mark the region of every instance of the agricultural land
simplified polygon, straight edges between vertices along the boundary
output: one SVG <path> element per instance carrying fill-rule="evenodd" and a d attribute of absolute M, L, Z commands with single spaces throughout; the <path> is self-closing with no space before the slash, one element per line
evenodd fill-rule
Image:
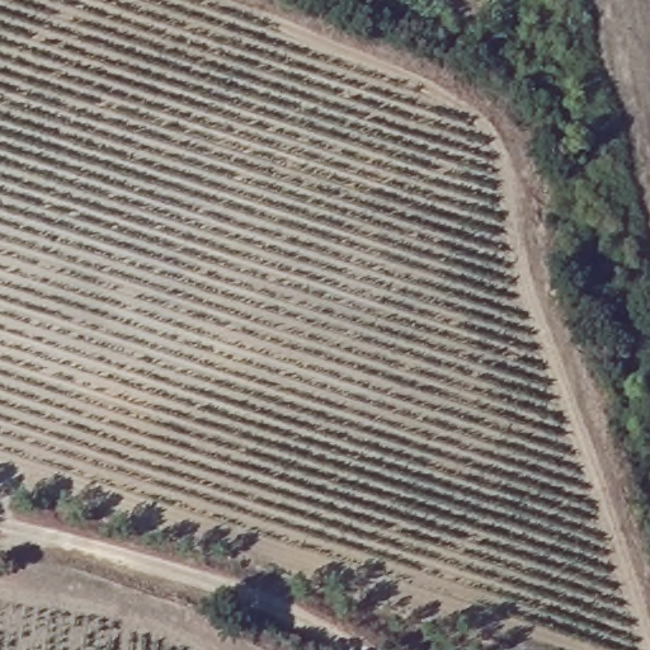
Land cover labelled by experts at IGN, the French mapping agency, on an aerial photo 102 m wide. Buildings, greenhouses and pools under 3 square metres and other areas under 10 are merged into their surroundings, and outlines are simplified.
<path fill-rule="evenodd" d="M 650 0 L 584 0 L 584 8 L 592 18 L 594 43 L 592 63 L 581 76 L 584 102 L 592 102 L 597 91 L 607 91 L 609 112 L 620 119 L 620 127 L 625 129 L 625 168 L 637 196 L 637 208 L 645 218 L 642 236 L 637 239 L 637 259 L 645 259 L 650 264 Z"/>

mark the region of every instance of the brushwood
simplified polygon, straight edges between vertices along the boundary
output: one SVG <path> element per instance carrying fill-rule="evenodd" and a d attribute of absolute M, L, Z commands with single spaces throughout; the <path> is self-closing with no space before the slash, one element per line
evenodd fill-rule
<path fill-rule="evenodd" d="M 508 102 L 508 119 L 518 129 L 531 132 L 528 155 L 533 157 L 538 175 L 551 183 L 551 213 L 546 221 L 548 256 L 554 251 L 561 251 L 566 256 L 574 254 L 581 277 L 587 277 L 592 284 L 604 284 L 612 279 L 612 262 L 625 262 L 632 269 L 637 269 L 642 279 L 650 279 L 650 264 L 645 259 L 637 259 L 637 239 L 642 236 L 645 218 L 637 208 L 637 196 L 625 168 L 625 129 L 620 127 L 620 119 L 609 112 L 607 91 L 597 91 L 592 102 L 584 102 L 581 76 L 592 63 L 594 43 L 592 18 L 584 8 L 584 0 L 371 0 L 368 38 L 373 41 L 386 43 L 396 51 L 409 51 L 416 58 L 427 58 L 439 69 L 449 69 L 454 74 L 454 81 L 462 81 L 472 89 L 485 89 L 488 99 L 498 96 Z"/>
<path fill-rule="evenodd" d="M 330 637 L 317 627 L 295 625 L 289 635 L 284 635 L 272 622 L 254 622 L 251 614 L 241 614 L 241 630 L 246 635 L 251 637 L 249 650 L 363 650 L 358 640 Z"/>
<path fill-rule="evenodd" d="M 579 345 L 597 388 L 612 394 L 609 404 L 604 406 L 604 416 L 609 424 L 609 434 L 614 439 L 617 457 L 622 462 L 630 462 L 627 505 L 640 508 L 640 538 L 647 541 L 650 556 L 650 335 L 642 333 L 642 350 L 637 353 L 637 361 L 625 358 L 622 368 L 612 363 L 609 345 Z"/>

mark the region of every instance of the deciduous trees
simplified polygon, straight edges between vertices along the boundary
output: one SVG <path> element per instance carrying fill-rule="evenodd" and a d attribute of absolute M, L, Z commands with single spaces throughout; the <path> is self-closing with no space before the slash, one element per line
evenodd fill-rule
<path fill-rule="evenodd" d="M 373 41 L 368 38 L 371 0 L 282 0 L 302 15 L 325 18 L 325 23 L 335 25 L 340 33 L 355 38 L 358 43 Z"/>
<path fill-rule="evenodd" d="M 548 256 L 551 287 L 559 295 L 564 325 L 571 330 L 571 340 L 579 345 L 609 345 L 612 363 L 622 368 L 625 358 L 637 361 L 637 353 L 642 350 L 642 333 L 650 335 L 650 279 L 642 279 L 637 269 L 632 269 L 625 262 L 612 262 L 612 279 L 604 284 L 592 284 L 587 277 L 581 277 L 574 254 L 566 256 L 561 251 L 554 251 Z"/>
<path fill-rule="evenodd" d="M 198 612 L 208 617 L 211 625 L 221 630 L 221 635 L 246 635 L 241 630 L 241 614 L 231 602 L 231 587 L 221 587 L 213 594 L 208 594 Z"/>
<path fill-rule="evenodd" d="M 328 617 L 335 625 L 366 627 L 368 632 L 373 632 L 373 650 L 488 650 L 493 647 L 493 642 L 467 622 L 465 609 L 457 609 L 449 617 L 432 622 L 421 630 L 421 622 L 414 614 L 383 617 L 376 609 L 361 609 L 358 599 L 353 599 L 353 592 L 343 592 L 343 584 L 335 574 L 325 579 L 317 571 L 312 576 L 295 574 L 284 581 L 289 587 L 292 604 L 300 604 L 320 617 Z"/>
<path fill-rule="evenodd" d="M 53 477 L 48 482 L 41 482 L 36 490 L 28 490 L 23 485 L 23 475 L 18 475 L 13 465 L 0 465 L 0 518 L 5 513 L 15 513 L 28 523 L 69 531 L 86 538 L 124 543 L 127 548 L 147 551 L 170 561 L 183 561 L 196 569 L 236 576 L 239 584 L 256 574 L 249 561 L 241 561 L 239 554 L 249 551 L 259 541 L 256 533 L 229 538 L 229 531 L 211 528 L 206 538 L 196 538 L 196 523 L 183 521 L 178 526 L 168 526 L 163 521 L 160 508 L 145 505 L 135 513 L 122 513 L 114 508 L 119 505 L 119 495 L 104 493 L 99 488 L 86 488 L 81 495 L 74 495 L 71 480 L 66 477 Z"/>

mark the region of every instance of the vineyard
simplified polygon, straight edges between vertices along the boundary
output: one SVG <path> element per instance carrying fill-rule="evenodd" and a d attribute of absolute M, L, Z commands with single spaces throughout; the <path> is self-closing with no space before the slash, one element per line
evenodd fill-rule
<path fill-rule="evenodd" d="M 361 609 L 376 609 L 383 617 L 414 614 L 421 622 L 421 630 L 432 622 L 449 617 L 457 609 L 465 609 L 467 622 L 493 642 L 493 647 L 488 650 L 650 650 L 650 556 L 647 541 L 640 538 L 640 508 L 627 505 L 630 462 L 622 462 L 617 457 L 614 439 L 609 434 L 609 424 L 604 416 L 604 406 L 609 404 L 612 394 L 597 388 L 579 345 L 571 340 L 571 330 L 564 325 L 559 295 L 551 287 L 548 256 L 546 221 L 551 213 L 551 183 L 538 175 L 533 157 L 528 155 L 531 132 L 518 129 L 508 119 L 508 102 L 498 96 L 488 99 L 485 89 L 472 89 L 462 81 L 454 81 L 454 74 L 449 69 L 439 69 L 427 58 L 416 58 L 409 51 L 396 51 L 386 43 L 373 41 L 358 43 L 355 38 L 340 33 L 335 25 L 325 23 L 325 18 L 302 15 L 282 0 L 0 0 L 0 465 L 13 465 L 18 475 L 23 475 L 23 485 L 28 490 L 36 490 L 41 482 L 48 482 L 53 477 L 66 477 L 71 480 L 74 495 L 81 495 L 86 488 L 99 488 L 104 493 L 119 495 L 119 505 L 114 508 L 122 513 L 135 513 L 145 505 L 160 508 L 163 521 L 168 526 L 178 526 L 183 521 L 196 523 L 196 538 L 206 538 L 211 528 L 229 531 L 229 538 L 256 533 L 259 541 L 249 551 L 239 554 L 241 561 L 249 561 L 256 574 L 282 569 L 284 581 L 295 574 L 312 576 L 317 571 L 325 579 L 335 574 L 343 584 L 343 592 L 353 592 L 353 599 L 358 599 Z"/>
<path fill-rule="evenodd" d="M 246 635 L 221 635 L 221 630 L 211 625 L 208 617 L 198 612 L 208 594 L 203 589 L 175 584 L 170 579 L 114 566 L 112 561 L 102 561 L 79 551 L 41 548 L 36 543 L 23 543 L 10 551 L 0 551 L 0 650 L 249 650 L 251 637 Z"/>

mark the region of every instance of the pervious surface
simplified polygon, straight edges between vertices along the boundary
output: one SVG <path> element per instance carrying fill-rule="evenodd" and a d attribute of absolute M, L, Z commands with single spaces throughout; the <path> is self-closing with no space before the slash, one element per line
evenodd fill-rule
<path fill-rule="evenodd" d="M 368 632 L 366 627 L 335 625 L 328 617 L 320 617 L 300 604 L 292 604 L 289 587 L 284 581 L 282 569 L 256 574 L 239 584 L 236 576 L 196 569 L 183 561 L 170 561 L 147 551 L 127 548 L 124 543 L 86 538 L 69 531 L 28 523 L 15 513 L 5 513 L 0 518 L 0 551 L 10 551 L 23 543 L 36 543 L 41 548 L 79 551 L 102 561 L 112 561 L 114 566 L 170 579 L 175 584 L 203 589 L 208 594 L 213 594 L 221 587 L 231 587 L 231 602 L 241 614 L 251 614 L 254 622 L 272 622 L 284 635 L 289 635 L 295 625 L 317 627 L 330 637 L 358 640 L 363 650 L 373 650 L 373 632 Z"/>

